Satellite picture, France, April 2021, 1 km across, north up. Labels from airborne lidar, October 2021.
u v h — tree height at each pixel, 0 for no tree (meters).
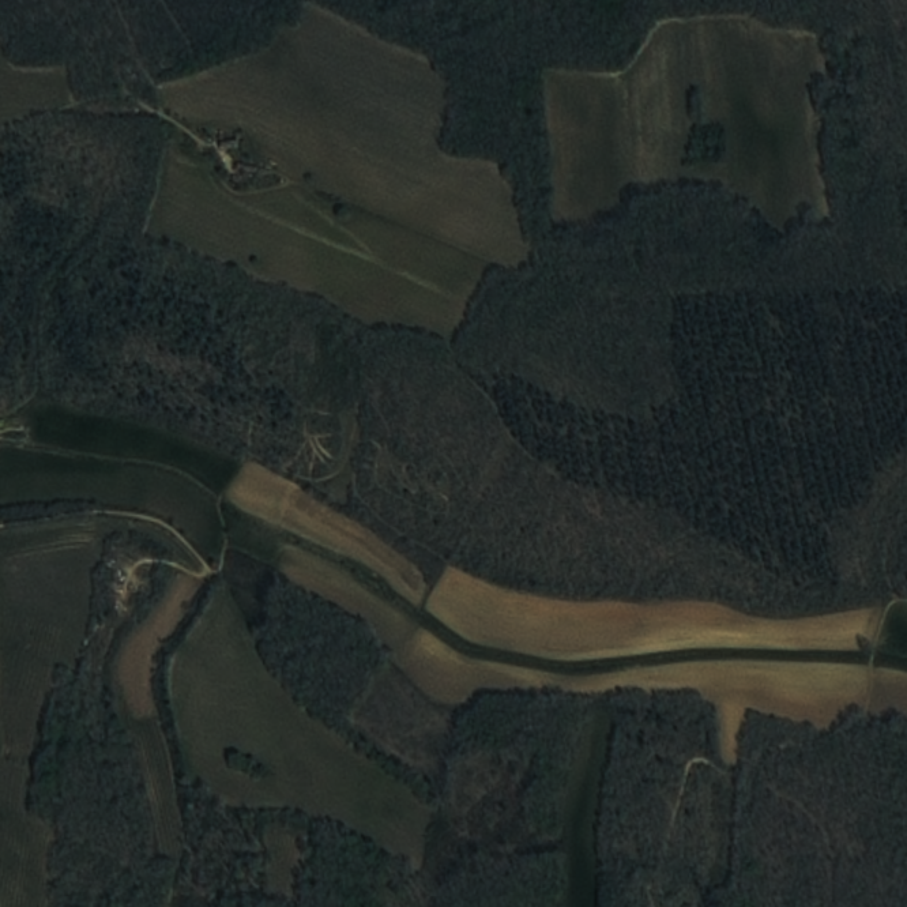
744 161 0
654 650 0
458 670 0
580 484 13
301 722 0
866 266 18
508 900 17
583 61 23
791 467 18
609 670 0
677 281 21
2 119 0
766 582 10
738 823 14
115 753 25
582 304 20
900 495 13
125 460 0
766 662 0
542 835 18
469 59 21
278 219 0
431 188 0
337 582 0
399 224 0
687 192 16
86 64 13
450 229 0
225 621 0
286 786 0
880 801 13
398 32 20
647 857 9
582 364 17
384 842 0
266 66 0
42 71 12
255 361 6
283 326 6
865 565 9
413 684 0
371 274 0
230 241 0
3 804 0
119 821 20
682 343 18
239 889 15
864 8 12
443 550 7
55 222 15
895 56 17
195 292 12
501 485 10
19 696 0
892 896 14
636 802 10
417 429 9
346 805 0
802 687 0
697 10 17
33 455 0
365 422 10
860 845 8
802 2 23
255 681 0
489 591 0
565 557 8
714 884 6
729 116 0
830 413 14
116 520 0
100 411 13
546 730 19
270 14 21
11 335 19
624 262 22
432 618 0
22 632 0
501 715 17
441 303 0
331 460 6
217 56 16
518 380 12
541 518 8
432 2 17
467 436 11
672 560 8
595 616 0
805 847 10
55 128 11
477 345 19
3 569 0
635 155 0
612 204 0
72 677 8
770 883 11
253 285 15
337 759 0
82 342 12
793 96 0
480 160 15
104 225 16
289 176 0
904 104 17
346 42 0
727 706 0
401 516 6
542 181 19
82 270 9
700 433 14
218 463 0
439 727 0
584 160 0
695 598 10
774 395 12
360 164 0
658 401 16
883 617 0
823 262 22
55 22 14
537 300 19
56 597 0
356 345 22
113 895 14
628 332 18
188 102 0
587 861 0
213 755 0
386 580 0
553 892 18
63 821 21
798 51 0
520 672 0
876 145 24
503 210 0
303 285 0
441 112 0
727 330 14
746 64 0
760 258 20
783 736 12
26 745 0
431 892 21
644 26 20
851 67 16
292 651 23
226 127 0
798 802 9
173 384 8
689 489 11
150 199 19
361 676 24
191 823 17
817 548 9
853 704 0
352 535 0
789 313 14
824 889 12
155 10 15
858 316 14
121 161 12
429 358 19
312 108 0
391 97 0
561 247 21
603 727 0
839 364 15
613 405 16
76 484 0
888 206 17
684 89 0
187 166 0
